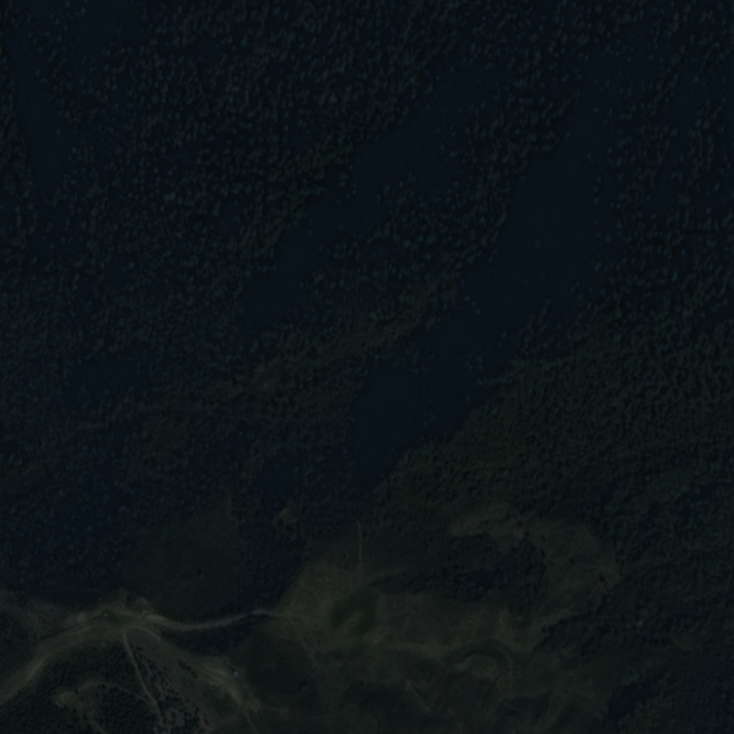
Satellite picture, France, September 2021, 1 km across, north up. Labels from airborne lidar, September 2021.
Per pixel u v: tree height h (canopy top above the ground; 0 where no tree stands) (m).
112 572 0
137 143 28
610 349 10
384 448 9
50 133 22
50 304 11
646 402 15
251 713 0
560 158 11
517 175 21
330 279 10
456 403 14
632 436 23
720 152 12
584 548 0
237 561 0
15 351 7
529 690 0
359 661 0
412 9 34
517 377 8
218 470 7
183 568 0
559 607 0
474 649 0
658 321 8
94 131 22
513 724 0
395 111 17
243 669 0
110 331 12
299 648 0
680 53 31
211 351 14
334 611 0
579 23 28
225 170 20
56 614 0
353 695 0
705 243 14
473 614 0
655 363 17
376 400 8
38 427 9
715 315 6
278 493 6
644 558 8
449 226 9
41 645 0
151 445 7
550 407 8
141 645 0
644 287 16
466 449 15
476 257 15
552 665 0
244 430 0
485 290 17
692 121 23
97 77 21
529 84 27
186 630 0
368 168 12
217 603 0
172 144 30
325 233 23
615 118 13
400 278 15
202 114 20
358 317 7
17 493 0
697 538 8
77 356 9
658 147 24
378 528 10
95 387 8
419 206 16
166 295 9
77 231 26
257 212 17
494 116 16
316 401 9
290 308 11
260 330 8
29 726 13
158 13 22
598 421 15
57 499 7
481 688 0
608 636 8
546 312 16
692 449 9
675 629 6
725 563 9
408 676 0
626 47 7
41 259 13
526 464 13
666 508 6
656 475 6
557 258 19
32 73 18
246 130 20
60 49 24
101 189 6
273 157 19
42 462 6
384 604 0
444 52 26
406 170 24
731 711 6
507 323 13
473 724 0
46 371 7
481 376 7
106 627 0
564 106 18
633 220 16
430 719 0
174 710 7
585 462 8
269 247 14
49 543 9
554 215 22
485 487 11
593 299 13
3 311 8
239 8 31
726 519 9
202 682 0
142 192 8
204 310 7
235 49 8
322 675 0
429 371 8
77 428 9
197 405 11
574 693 0
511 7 22
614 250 10
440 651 0
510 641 0
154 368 8
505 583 7
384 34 18
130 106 16
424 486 9
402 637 0
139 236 15
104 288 8
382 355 8
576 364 8
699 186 17
